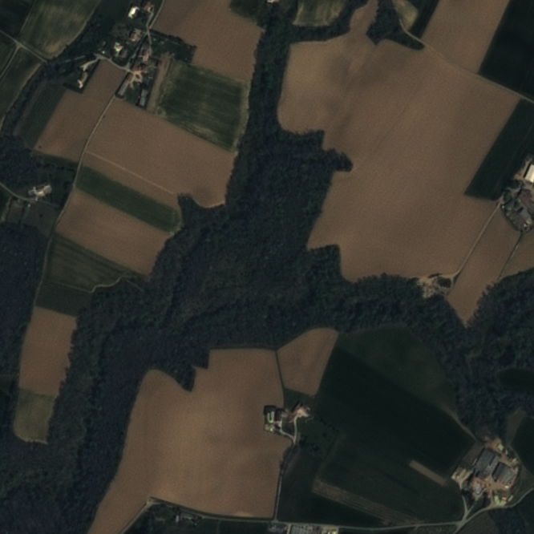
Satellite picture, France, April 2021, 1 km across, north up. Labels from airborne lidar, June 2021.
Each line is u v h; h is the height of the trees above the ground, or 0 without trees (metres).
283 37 15
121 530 0
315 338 0
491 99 0
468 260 0
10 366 14
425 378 0
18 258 17
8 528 15
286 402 0
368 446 0
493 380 10
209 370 0
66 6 0
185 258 27
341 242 0
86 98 0
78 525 17
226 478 0
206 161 0
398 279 11
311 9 0
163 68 0
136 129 0
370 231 0
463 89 0
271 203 18
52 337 0
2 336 18
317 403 0
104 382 18
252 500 0
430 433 0
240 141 12
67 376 11
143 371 13
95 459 16
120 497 0
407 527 0
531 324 15
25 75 0
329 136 0
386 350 0
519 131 0
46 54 0
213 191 0
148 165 0
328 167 20
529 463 0
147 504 0
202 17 0
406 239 0
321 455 12
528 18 0
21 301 16
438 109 0
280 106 0
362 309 20
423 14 0
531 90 0
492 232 0
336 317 15
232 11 0
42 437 0
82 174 0
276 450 0
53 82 8
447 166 0
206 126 0
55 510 20
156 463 0
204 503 0
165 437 0
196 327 13
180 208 10
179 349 18
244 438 0
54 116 0
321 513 0
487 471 0
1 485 14
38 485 6
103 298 10
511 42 0
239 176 18
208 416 0
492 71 0
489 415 21
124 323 15
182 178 0
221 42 0
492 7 0
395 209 0
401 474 0
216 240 11
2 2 0
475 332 19
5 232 15
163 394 0
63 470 14
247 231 15
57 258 0
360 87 0
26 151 7
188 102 0
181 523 15
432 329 27
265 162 7
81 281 0
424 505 0
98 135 0
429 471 0
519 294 23
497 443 0
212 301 14
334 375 0
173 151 0
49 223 0
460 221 0
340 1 0
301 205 16
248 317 15
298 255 15
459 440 0
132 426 0
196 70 0
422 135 0
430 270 0
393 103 0
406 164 0
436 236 0
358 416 0
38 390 0
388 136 0
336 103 0
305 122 0
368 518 0
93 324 15
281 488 0
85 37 6
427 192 0
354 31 0
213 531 0
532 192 0
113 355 11
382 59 0
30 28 0
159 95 0
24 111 7
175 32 0
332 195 0
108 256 0
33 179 16
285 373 0
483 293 0
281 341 8
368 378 0
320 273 16
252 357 0
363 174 0
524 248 0
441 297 6
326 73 0
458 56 0
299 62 0
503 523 16
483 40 0
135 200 0
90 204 0
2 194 0
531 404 21
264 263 11
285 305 20
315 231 0
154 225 0
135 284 17
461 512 0
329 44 0
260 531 0
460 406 14
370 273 0
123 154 0
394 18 20
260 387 0
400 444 0
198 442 0
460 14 0
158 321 18
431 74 0
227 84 0
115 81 0
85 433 23
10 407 16
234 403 0
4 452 15
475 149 0
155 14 0
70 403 14
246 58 0
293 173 18
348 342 0
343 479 0
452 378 15
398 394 0
